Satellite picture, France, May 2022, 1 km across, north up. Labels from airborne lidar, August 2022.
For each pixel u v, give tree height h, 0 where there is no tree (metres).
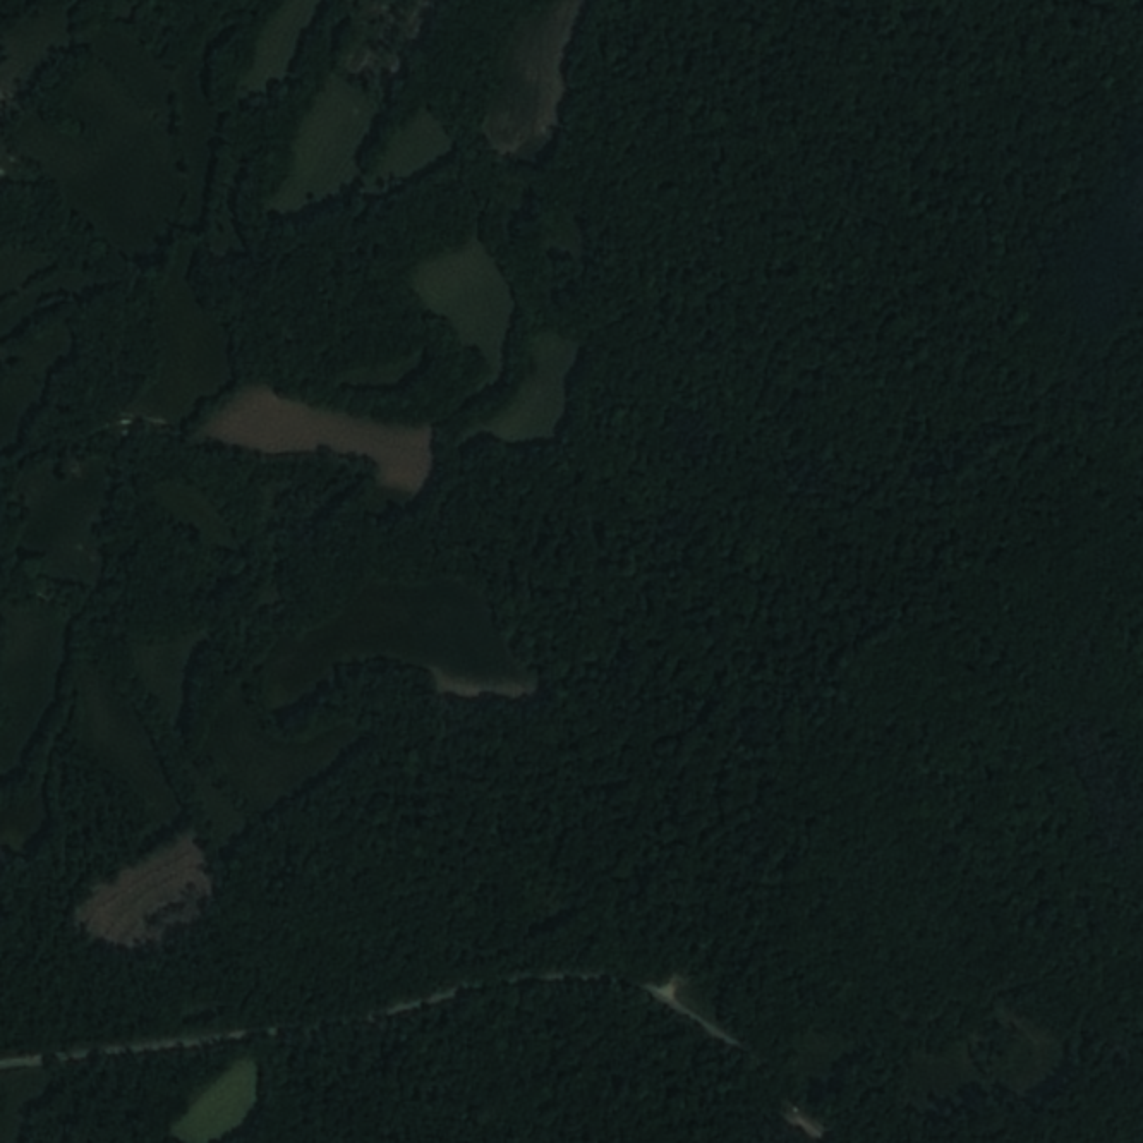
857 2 24
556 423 0
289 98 17
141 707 12
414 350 16
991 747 16
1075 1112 18
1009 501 20
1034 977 17
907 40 23
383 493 0
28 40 0
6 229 16
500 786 21
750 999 17
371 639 0
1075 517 20
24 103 15
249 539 16
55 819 17
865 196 22
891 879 18
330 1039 18
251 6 12
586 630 21
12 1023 7
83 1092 7
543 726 20
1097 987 18
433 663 0
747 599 23
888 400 19
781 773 22
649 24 18
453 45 19
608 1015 22
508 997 20
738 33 27
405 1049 21
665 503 20
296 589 17
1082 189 11
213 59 19
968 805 19
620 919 21
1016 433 23
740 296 21
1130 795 21
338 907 18
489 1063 15
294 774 0
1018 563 19
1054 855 21
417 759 21
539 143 0
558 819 18
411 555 17
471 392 15
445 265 0
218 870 11
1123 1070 27
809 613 19
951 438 6
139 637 12
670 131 19
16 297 9
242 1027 9
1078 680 14
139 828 11
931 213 25
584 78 18
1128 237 20
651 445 18
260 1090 11
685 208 18
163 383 0
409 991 17
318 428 0
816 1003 17
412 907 16
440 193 16
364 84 15
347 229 18
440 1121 17
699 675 13
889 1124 17
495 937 19
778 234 22
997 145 21
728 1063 14
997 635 24
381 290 16
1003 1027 20
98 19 13
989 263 20
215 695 20
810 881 21
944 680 18
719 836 19
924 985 16
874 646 19
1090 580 19
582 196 18
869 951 16
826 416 20
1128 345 11
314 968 16
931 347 17
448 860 21
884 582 12
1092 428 17
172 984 17
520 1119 18
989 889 20
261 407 0
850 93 22
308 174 0
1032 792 21
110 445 8
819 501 24
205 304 17
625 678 20
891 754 21
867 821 17
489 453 23
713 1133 16
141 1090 18
